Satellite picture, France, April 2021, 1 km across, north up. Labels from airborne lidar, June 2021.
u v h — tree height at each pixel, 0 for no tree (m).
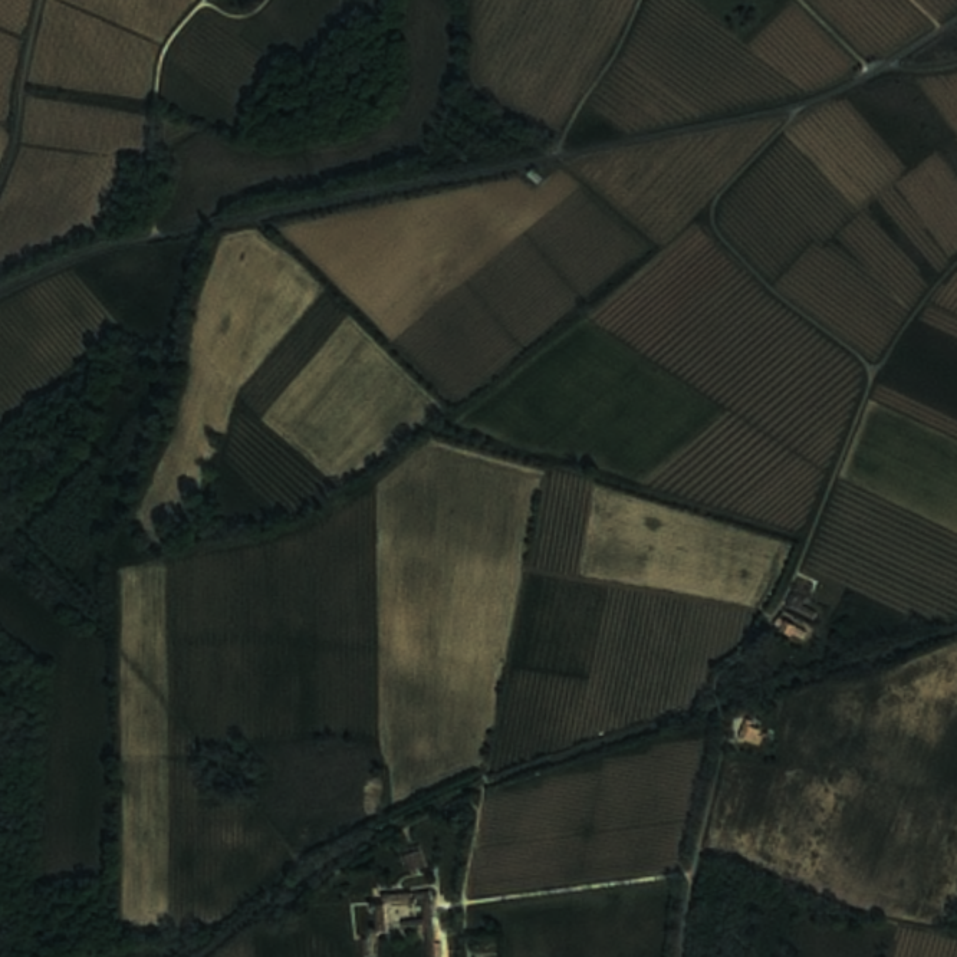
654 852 0
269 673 0
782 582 6
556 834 0
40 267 20
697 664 0
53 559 8
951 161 0
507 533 0
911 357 0
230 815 0
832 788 0
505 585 0
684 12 0
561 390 0
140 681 0
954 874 0
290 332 0
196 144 0
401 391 0
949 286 0
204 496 21
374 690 0
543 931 0
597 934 0
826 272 0
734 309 0
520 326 0
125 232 20
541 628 0
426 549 0
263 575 0
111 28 0
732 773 0
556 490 0
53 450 27
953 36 0
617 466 0
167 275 0
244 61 0
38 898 16
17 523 21
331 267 0
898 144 0
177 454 0
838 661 14
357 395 0
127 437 12
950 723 0
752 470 0
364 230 0
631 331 0
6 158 0
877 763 0
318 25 0
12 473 15
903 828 0
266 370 0
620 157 0
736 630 0
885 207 0
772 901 14
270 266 0
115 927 20
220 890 0
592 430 0
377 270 0
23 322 0
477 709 0
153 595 0
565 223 0
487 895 0
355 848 17
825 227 0
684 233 0
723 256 0
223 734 0
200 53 0
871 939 0
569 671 0
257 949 0
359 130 17
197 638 0
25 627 0
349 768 0
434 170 9
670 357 0
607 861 0
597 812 0
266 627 0
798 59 0
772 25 0
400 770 0
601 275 0
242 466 0
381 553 0
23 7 0
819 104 0
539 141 18
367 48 26
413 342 0
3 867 21
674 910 10
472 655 0
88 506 15
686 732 14
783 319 0
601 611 0
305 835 0
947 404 0
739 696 14
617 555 0
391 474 0
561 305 0
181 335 17
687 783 0
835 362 0
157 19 0
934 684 0
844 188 0
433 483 0
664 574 0
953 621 5
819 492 0
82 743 0
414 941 14
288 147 19
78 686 0
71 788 0
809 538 0
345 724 0
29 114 0
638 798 0
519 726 0
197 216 0
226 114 0
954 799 0
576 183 0
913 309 0
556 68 0
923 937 0
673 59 0
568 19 0
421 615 0
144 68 0
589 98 0
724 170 0
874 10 0
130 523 20
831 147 0
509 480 0
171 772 0
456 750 0
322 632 0
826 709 0
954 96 0
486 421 0
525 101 0
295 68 22
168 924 15
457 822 18
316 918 0
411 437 18
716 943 8
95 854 0
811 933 0
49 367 0
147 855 0
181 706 0
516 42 0
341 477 0
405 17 16
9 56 0
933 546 0
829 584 0
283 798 0
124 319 0
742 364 0
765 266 0
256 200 14
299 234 0
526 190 0
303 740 0
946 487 0
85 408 26
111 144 0
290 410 0
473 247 0
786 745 0
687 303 0
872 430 0
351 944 0
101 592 15
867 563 0
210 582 0
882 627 0
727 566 0
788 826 0
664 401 0
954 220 0
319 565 0
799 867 0
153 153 17
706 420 0
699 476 0
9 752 15
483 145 21
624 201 0
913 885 0
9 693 14
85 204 0
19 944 16
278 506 0
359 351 0
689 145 0
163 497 0
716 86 0
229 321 0
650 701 0
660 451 0
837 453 0
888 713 0
